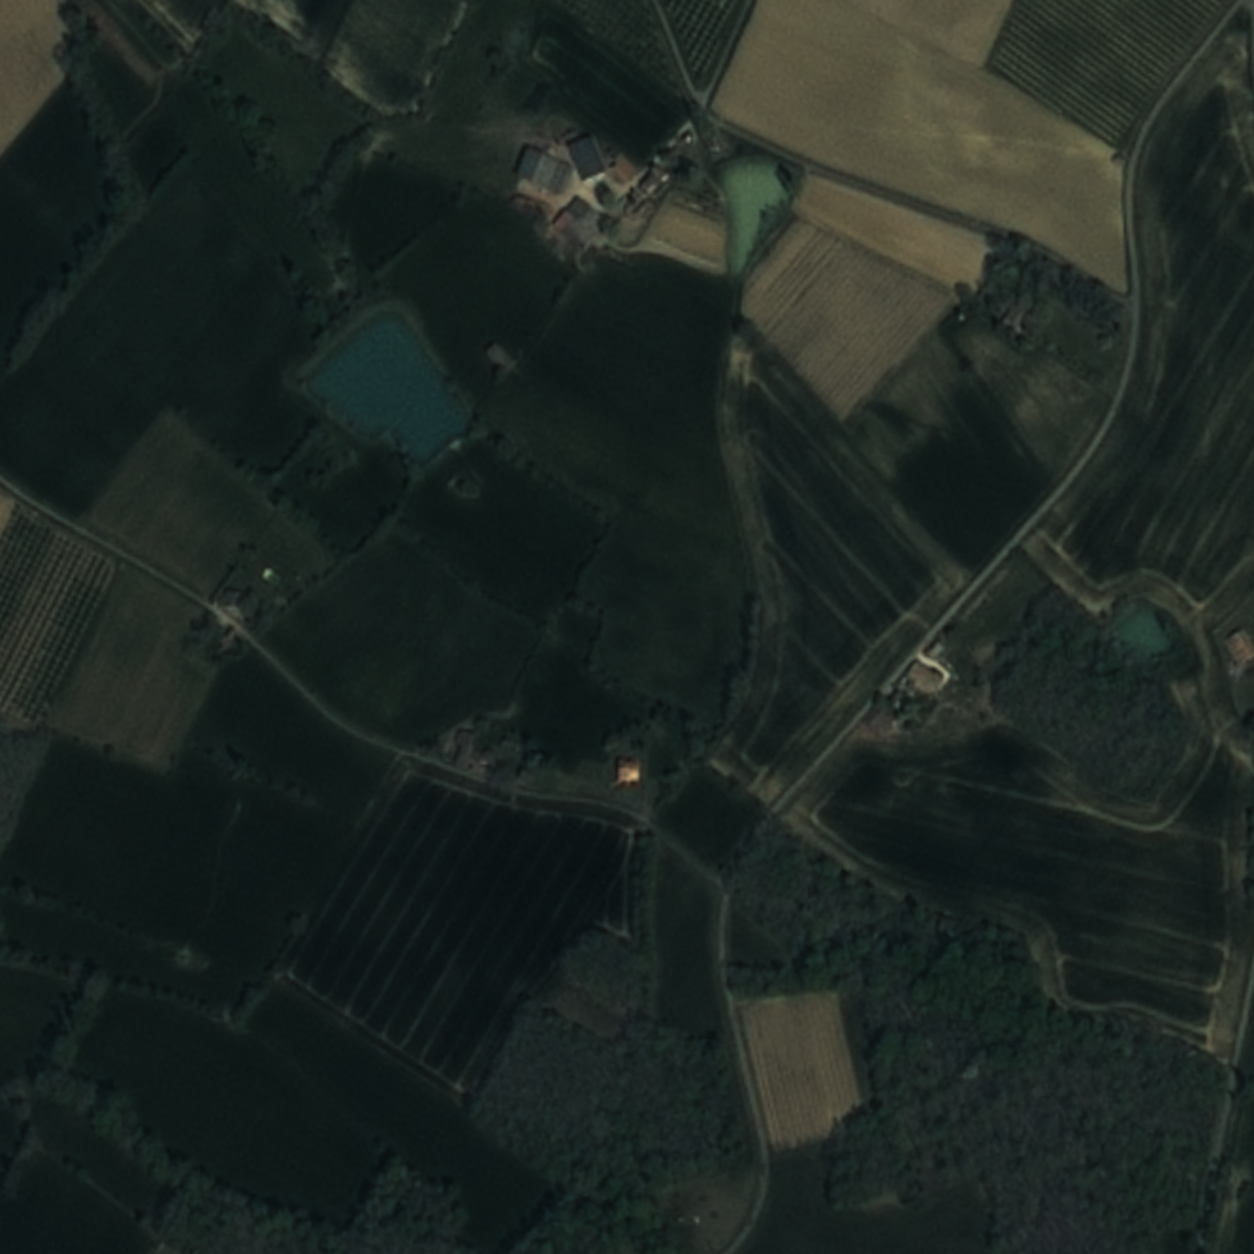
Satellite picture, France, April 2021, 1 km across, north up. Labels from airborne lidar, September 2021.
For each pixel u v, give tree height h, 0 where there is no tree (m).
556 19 0
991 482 0
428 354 0
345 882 0
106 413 0
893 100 0
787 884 23
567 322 0
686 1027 0
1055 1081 20
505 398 0
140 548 0
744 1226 0
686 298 0
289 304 0
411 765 0
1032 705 18
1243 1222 0
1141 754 14
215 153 0
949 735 0
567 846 0
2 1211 0
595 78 0
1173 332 0
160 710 0
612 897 0
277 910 0
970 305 12
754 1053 0
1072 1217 22
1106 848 0
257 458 0
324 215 15
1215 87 0
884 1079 16
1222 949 0
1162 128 0
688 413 0
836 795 0
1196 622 0
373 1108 0
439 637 0
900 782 0
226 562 0
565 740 0
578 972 16
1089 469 0
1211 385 0
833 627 0
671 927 0
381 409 0
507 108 0
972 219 0
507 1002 0
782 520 0
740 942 0
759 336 14
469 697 0
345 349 0
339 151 8
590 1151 22
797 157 0
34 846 0
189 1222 19
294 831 0
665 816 0
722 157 0
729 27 0
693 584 0
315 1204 0
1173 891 0
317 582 9
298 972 0
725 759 0
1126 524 0
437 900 0
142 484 0
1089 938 0
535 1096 19
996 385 0
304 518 16
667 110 0
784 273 0
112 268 0
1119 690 20
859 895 16
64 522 0
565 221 0
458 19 0
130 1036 0
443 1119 0
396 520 15
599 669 6
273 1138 0
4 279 0
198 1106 0
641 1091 20
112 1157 0
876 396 0
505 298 0
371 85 0
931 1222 0
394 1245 20
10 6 0
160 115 0
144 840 0
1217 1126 16
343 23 0
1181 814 0
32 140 0
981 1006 22
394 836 0
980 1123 21
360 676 0
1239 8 0
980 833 0
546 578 0
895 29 0
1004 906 0
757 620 12
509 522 0
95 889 0
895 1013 18
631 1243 22
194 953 0
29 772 22
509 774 15
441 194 0
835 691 0
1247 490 0
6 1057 0
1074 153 0
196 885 0
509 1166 0
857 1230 0
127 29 0
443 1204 11
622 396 0
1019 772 0
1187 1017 0
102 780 0
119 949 0
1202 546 0
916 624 0
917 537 0
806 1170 0
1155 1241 23
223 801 0
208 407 0
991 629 0
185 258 0
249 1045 0
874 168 0
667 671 0
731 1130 19
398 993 0
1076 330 0
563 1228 24
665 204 0
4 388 0
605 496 0
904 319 0
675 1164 18
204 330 0
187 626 0
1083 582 0
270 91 0
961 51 0
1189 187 0
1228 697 0
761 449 0
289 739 0
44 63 0
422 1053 0
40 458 0
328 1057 0
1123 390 0
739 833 0
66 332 0
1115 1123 20
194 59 12
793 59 0
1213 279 0
